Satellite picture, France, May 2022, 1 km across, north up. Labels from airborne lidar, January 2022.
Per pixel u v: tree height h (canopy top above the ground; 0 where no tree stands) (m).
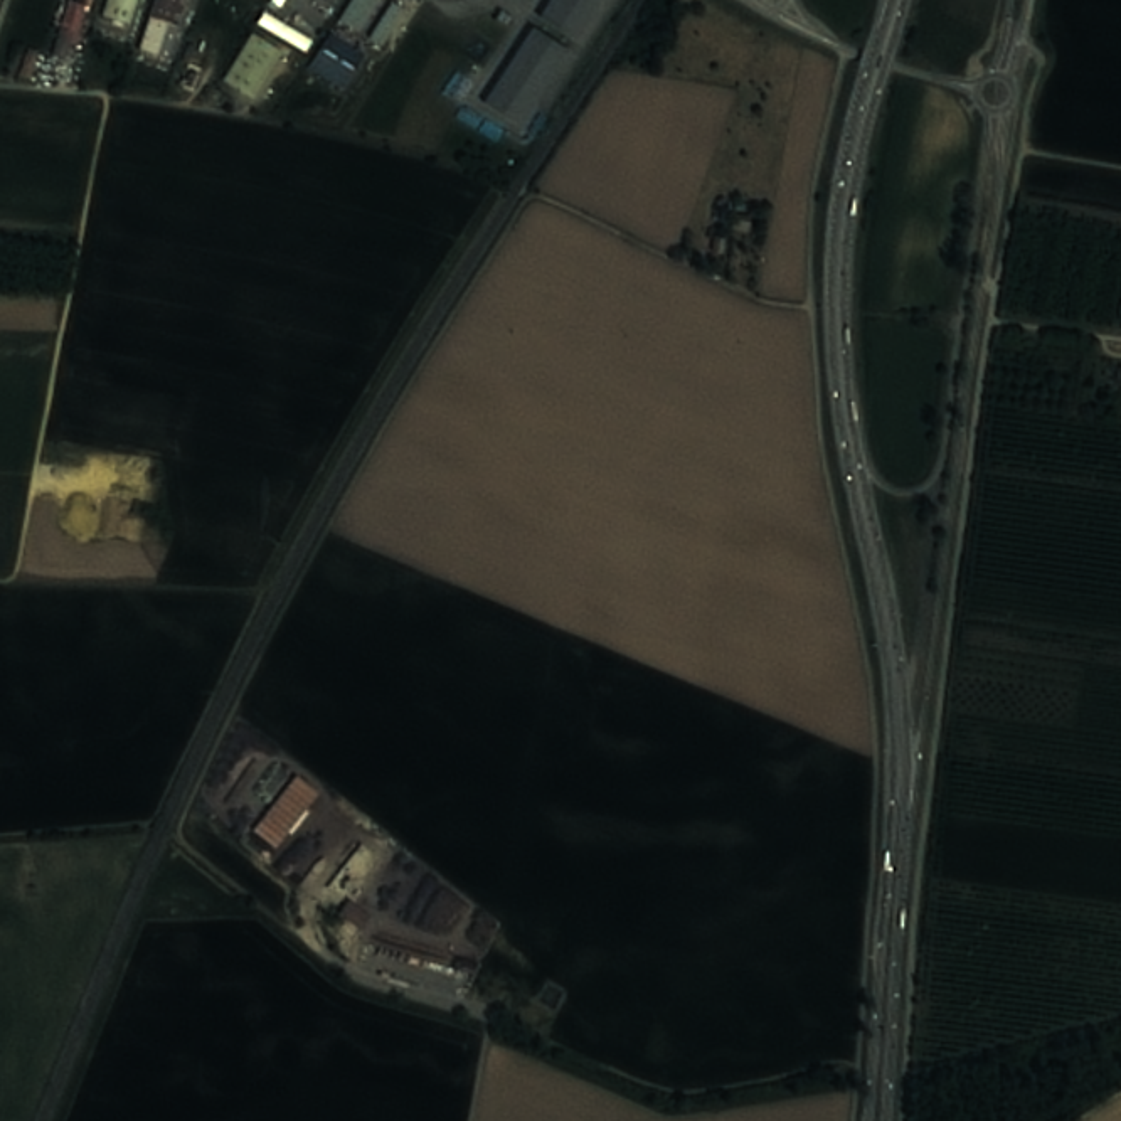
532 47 0
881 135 0
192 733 0
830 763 0
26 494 0
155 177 0
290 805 0
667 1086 0
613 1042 0
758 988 0
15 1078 0
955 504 0
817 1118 0
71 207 0
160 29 0
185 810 0
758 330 0
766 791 0
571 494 0
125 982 0
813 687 0
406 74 0
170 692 0
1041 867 0
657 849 0
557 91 0
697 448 0
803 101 0
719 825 0
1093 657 0
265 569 0
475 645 0
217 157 0
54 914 0
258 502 0
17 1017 0
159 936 0
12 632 0
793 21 0
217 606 0
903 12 0
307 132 0
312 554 0
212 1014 0
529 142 0
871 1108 0
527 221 0
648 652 0
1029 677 0
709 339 0
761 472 0
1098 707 0
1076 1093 23
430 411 0
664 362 0
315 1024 0
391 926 0
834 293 0
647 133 0
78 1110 0
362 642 0
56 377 0
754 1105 0
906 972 0
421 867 0
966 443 0
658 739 0
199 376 0
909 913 0
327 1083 0
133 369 0
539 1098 0
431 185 0
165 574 0
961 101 0
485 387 0
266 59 0
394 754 0
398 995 11
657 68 12
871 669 0
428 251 0
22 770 0
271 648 0
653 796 0
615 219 0
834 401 0
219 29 0
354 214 0
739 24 0
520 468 0
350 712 0
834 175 0
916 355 0
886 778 0
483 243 0
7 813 0
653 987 0
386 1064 0
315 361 0
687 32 0
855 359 0
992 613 0
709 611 0
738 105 0
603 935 0
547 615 0
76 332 0
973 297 10
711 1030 0
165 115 0
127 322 0
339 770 0
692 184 0
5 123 0
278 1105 0
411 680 0
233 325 0
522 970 0
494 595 0
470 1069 0
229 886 0
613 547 0
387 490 0
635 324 0
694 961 0
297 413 0
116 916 0
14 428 0
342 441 0
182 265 0
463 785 0
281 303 0
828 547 0
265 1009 0
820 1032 0
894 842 0
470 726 0
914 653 0
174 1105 0
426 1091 0
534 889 0
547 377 0
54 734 0
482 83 0
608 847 0
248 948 0
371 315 0
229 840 0
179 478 0
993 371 10
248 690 0
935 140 0
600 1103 0
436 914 0
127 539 0
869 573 0
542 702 0
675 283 0
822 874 0
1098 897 0
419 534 0
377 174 0
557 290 0
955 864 0
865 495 0
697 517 0
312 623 0
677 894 0
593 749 0
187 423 0
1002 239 0
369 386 0
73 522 0
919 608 0
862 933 0
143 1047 0
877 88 0
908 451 0
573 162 0
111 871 0
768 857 0
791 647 0
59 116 0
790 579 0
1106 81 0
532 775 0
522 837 0
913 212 0
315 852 0
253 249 0
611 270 0
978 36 0
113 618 0
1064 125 0
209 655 0
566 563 0
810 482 0
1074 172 0
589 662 0
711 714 0
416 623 0
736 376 0
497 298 0
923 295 0
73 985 0
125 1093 0
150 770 0
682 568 0
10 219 0
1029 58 0
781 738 0
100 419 0
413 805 0
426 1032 0
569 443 0
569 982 0
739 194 8
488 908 0
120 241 0
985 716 0
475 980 0
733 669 0
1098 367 0
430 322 0
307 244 0
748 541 0
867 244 0
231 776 0
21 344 0
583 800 0
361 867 0
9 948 0
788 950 0
